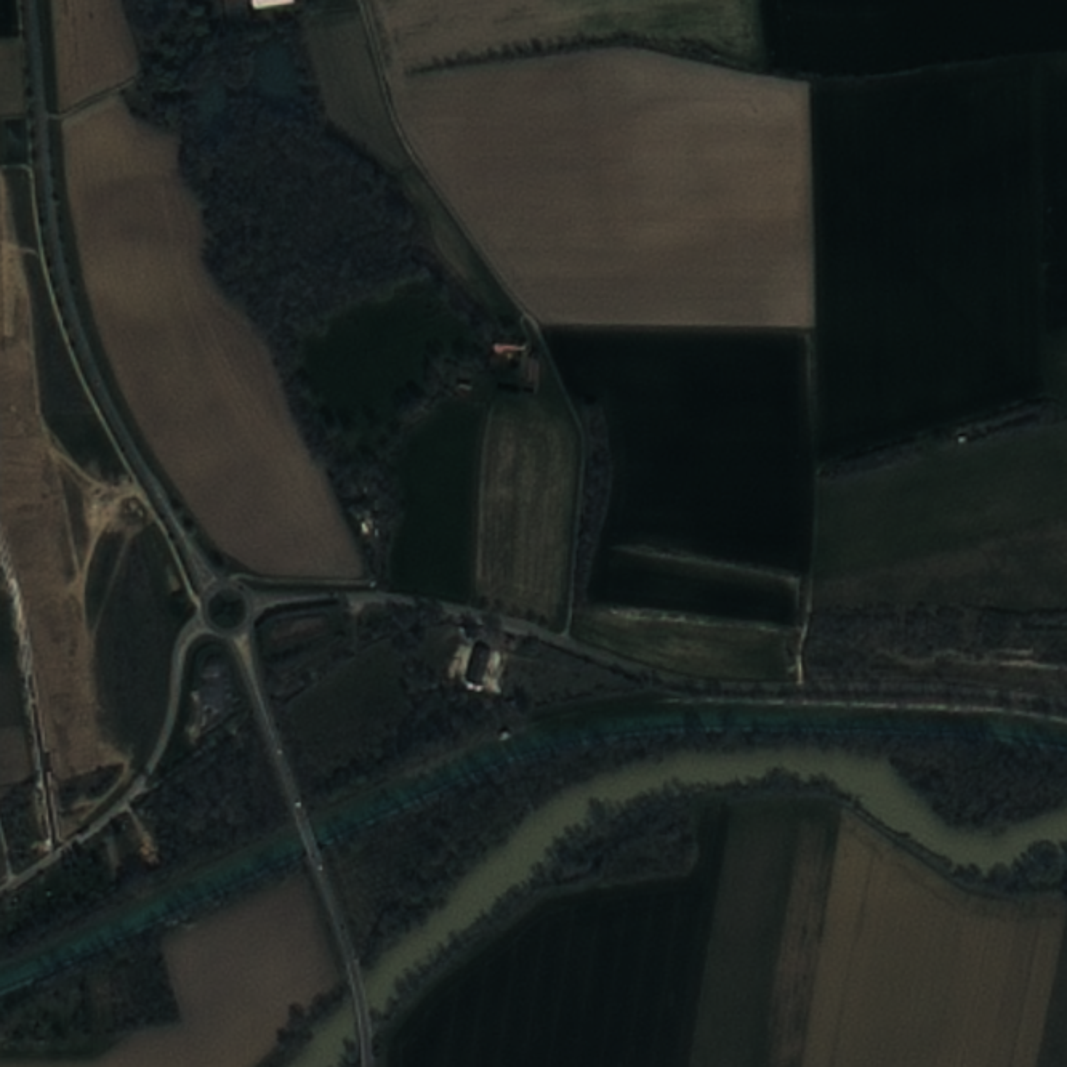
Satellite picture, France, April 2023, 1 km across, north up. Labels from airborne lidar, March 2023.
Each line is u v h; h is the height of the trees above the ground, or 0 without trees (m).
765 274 0
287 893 0
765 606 0
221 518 0
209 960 0
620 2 0
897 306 0
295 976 0
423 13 0
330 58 0
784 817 0
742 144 0
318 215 18
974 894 0
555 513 0
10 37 0
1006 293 0
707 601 0
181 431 0
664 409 0
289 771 0
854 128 0
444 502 0
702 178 0
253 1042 0
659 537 0
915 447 10
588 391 0
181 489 0
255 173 20
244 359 0
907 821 0
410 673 13
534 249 0
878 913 0
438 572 0
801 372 0
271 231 11
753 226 0
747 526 0
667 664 0
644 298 0
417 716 15
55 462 0
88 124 0
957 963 0
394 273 26
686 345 0
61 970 18
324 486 0
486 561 0
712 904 0
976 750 25
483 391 0
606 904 0
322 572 0
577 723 0
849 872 0
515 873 0
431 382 16
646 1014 0
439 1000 0
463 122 0
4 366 0
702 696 17
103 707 0
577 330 0
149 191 0
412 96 0
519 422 0
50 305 0
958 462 0
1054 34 0
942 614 7
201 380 0
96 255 0
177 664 0
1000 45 0
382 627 7
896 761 17
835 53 0
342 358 0
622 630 0
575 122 0
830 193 0
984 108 0
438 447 0
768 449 0
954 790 20
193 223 0
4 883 0
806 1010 0
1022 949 0
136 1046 0
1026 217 0
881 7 0
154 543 0
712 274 0
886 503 0
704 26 0
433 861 16
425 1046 0
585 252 0
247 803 23
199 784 21
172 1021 6
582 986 0
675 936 0
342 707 0
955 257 0
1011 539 0
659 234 0
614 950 0
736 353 0
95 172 0
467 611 0
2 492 0
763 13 0
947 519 0
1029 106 0
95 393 0
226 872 0
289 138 24
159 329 0
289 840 0
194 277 0
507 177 0
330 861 7
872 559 0
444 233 0
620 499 0
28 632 0
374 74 0
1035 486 0
